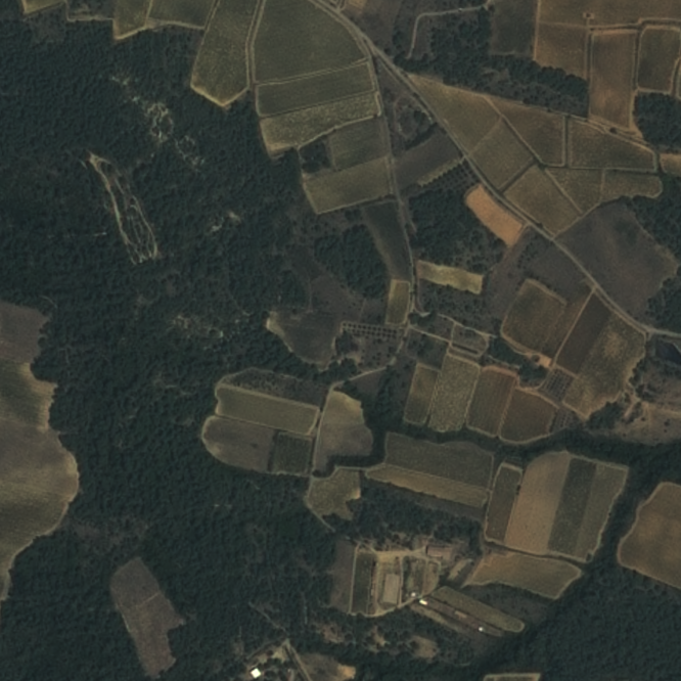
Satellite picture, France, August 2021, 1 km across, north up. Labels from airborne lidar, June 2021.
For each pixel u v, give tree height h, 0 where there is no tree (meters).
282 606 8
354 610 0
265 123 0
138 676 14
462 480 0
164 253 8
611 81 0
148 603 0
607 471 0
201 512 13
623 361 0
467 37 9
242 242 8
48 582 13
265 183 9
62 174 12
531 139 0
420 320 9
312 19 0
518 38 0
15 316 0
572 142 0
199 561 10
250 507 12
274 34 0
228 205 8
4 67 10
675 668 15
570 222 0
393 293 0
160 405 13
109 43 9
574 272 0
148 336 16
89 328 15
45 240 22
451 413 0
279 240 7
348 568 0
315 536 12
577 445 7
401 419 7
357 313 0
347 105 0
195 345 13
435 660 6
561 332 0
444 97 0
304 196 0
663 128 8
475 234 8
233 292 6
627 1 0
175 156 6
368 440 0
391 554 0
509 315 0
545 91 7
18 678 8
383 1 0
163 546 13
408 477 0
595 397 0
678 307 8
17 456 0
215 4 0
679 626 12
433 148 0
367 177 0
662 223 8
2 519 0
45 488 0
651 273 0
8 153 13
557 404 0
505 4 0
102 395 16
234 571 10
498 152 0
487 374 0
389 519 8
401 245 0
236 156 10
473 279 0
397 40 12
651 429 0
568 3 0
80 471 11
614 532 13
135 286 12
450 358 0
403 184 0
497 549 0
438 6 0
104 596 14
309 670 0
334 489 0
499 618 0
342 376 13
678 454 15
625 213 0
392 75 0
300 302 11
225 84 0
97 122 12
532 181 0
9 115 13
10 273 11
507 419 0
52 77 10
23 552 6
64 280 12
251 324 12
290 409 0
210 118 7
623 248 0
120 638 13
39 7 0
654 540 0
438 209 13
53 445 0
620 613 16
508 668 15
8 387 0
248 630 9
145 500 17
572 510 0
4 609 10
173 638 12
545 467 0
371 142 0
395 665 15
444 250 8
